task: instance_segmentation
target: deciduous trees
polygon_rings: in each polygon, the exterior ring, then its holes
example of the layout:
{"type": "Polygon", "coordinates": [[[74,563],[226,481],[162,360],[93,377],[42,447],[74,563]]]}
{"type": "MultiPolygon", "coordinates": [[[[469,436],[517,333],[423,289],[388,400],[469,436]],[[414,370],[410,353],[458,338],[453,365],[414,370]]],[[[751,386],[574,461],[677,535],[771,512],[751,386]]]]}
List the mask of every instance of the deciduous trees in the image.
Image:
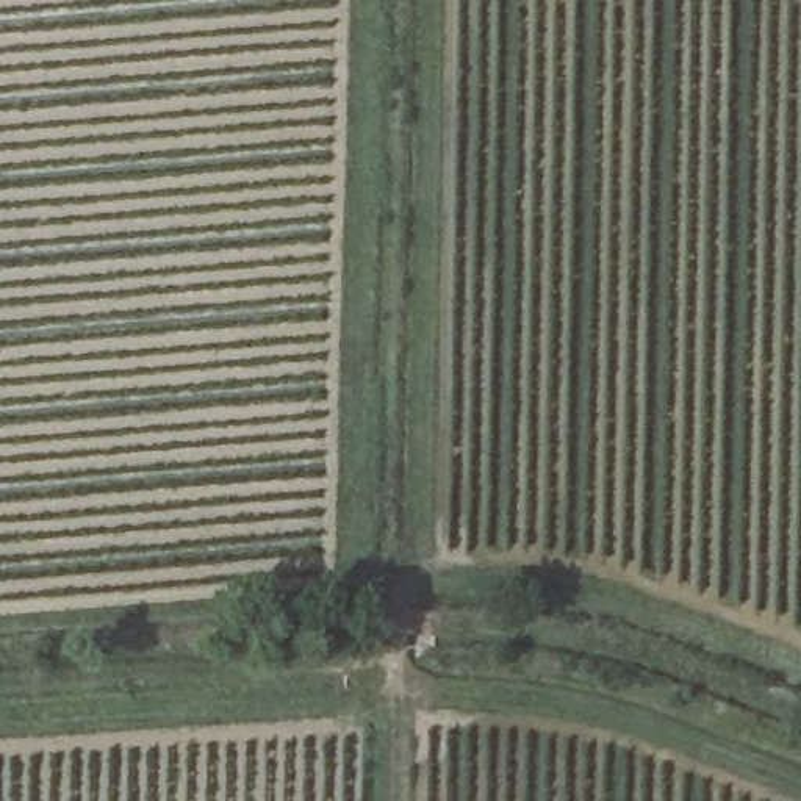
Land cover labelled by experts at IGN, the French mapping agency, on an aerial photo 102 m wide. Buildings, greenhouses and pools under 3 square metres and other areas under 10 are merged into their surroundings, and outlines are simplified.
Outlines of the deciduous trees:
{"type": "Polygon", "coordinates": [[[38,673],[41,663],[34,654],[47,632],[69,635],[72,626],[84,626],[94,635],[100,626],[113,626],[125,607],[0,616],[0,673],[38,673]]]}
{"type": "Polygon", "coordinates": [[[282,663],[282,651],[275,645],[260,635],[250,635],[250,641],[244,645],[235,641],[228,632],[219,632],[207,601],[144,604],[147,616],[156,623],[160,651],[194,651],[210,666],[216,663],[232,673],[250,673],[253,682],[269,685],[288,673],[282,663]]]}
{"type": "Polygon", "coordinates": [[[485,616],[491,623],[488,638],[510,641],[516,638],[526,620],[541,620],[544,601],[538,582],[523,576],[513,594],[501,588],[485,591],[485,607],[485,616]]]}
{"type": "Polygon", "coordinates": [[[341,685],[347,685],[347,673],[385,666],[385,654],[335,660],[329,654],[329,638],[322,632],[300,632],[294,641],[297,660],[332,663],[332,673],[341,685]]]}
{"type": "Polygon", "coordinates": [[[579,660],[585,660],[591,666],[588,673],[601,676],[607,691],[613,695],[632,685],[691,688],[695,682],[691,676],[679,676],[660,666],[591,654],[569,645],[535,641],[532,654],[551,654],[573,670],[579,670],[579,660]]]}

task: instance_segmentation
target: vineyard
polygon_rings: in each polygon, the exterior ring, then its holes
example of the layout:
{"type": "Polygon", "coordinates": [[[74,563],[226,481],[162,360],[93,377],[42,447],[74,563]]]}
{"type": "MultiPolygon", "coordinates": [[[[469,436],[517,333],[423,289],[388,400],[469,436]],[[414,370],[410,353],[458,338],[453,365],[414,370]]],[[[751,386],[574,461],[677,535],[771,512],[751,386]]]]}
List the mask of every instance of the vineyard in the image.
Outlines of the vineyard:
{"type": "Polygon", "coordinates": [[[357,723],[350,713],[338,713],[325,720],[285,723],[0,738],[0,801],[801,801],[801,798],[616,729],[538,713],[504,717],[494,710],[432,710],[432,679],[422,679],[407,663],[404,695],[385,695],[388,732],[379,732],[375,726],[363,729],[363,723],[357,723]]]}
{"type": "Polygon", "coordinates": [[[485,607],[485,591],[501,588],[513,594],[523,576],[523,566],[463,566],[463,585],[454,594],[435,594],[432,610],[485,607]]]}
{"type": "Polygon", "coordinates": [[[385,654],[391,626],[382,610],[379,588],[366,582],[357,594],[344,594],[338,582],[344,569],[335,566],[350,0],[0,0],[0,616],[125,607],[144,604],[207,601],[219,632],[228,632],[235,641],[244,645],[250,641],[250,635],[260,635],[275,645],[285,635],[285,616],[272,598],[272,569],[278,566],[275,557],[282,548],[322,544],[325,569],[313,576],[294,598],[300,632],[322,632],[329,638],[329,654],[335,660],[385,654]]]}
{"type": "Polygon", "coordinates": [[[776,666],[788,679],[801,682],[801,648],[645,591],[638,598],[638,613],[632,616],[635,623],[676,632],[682,638],[701,641],[710,651],[738,654],[763,666],[776,666]]]}
{"type": "Polygon", "coordinates": [[[541,548],[541,563],[576,566],[582,554],[613,554],[623,563],[638,563],[648,576],[670,573],[679,582],[688,582],[701,591],[717,588],[726,604],[738,607],[748,601],[757,610],[785,613],[801,629],[801,0],[460,0],[451,422],[447,519],[451,548],[501,551],[513,544],[535,544],[541,548]]]}

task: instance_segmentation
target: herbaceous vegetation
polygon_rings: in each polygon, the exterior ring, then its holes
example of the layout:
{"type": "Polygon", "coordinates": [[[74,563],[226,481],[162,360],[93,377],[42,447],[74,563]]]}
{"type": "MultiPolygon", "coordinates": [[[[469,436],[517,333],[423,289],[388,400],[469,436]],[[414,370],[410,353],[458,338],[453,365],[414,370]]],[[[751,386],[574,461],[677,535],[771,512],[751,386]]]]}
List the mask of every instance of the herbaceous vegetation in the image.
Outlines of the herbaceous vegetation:
{"type": "Polygon", "coordinates": [[[491,623],[485,616],[485,607],[432,610],[435,594],[454,594],[463,585],[463,566],[441,566],[435,557],[435,516],[447,519],[451,422],[438,426],[444,153],[438,153],[438,131],[444,128],[444,0],[350,0],[335,566],[344,569],[338,582],[344,594],[357,594],[366,582],[379,588],[382,610],[391,626],[385,654],[385,666],[347,673],[347,685],[341,685],[332,673],[332,663],[297,660],[294,641],[300,632],[294,598],[313,576],[325,569],[322,544],[282,548],[275,557],[278,566],[272,569],[272,598],[285,616],[285,635],[275,645],[282,651],[282,663],[288,673],[269,685],[253,682],[250,673],[232,673],[216,663],[210,666],[194,651],[160,651],[156,623],[147,616],[144,604],[125,607],[113,626],[100,626],[94,635],[84,626],[72,626],[69,635],[47,632],[34,654],[41,663],[38,673],[0,673],[0,738],[285,723],[325,720],[338,713],[350,713],[357,723],[363,723],[363,729],[375,726],[379,732],[388,732],[385,695],[404,695],[407,663],[422,679],[432,679],[432,710],[494,710],[504,717],[538,713],[616,729],[801,798],[801,682],[788,679],[776,666],[763,666],[738,654],[710,651],[701,641],[682,638],[676,632],[635,623],[632,616],[638,613],[638,598],[645,591],[629,582],[579,573],[576,566],[541,563],[523,566],[523,576],[538,582],[544,601],[541,620],[526,620],[516,638],[510,641],[488,638],[491,623]],[[551,654],[532,654],[535,641],[569,645],[591,654],[660,666],[679,676],[691,676],[695,682],[691,688],[632,685],[613,695],[607,691],[601,676],[588,673],[591,666],[585,660],[579,660],[579,670],[573,670],[551,654]]]}

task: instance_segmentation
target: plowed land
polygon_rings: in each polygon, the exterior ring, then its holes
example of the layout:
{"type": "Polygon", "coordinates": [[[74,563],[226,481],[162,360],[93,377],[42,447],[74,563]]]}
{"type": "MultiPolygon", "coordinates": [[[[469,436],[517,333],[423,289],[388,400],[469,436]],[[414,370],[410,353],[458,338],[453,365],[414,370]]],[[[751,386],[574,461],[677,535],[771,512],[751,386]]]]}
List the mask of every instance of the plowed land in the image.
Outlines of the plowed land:
{"type": "Polygon", "coordinates": [[[451,548],[447,519],[435,516],[435,557],[441,566],[463,566],[523,566],[541,563],[541,548],[535,544],[513,544],[501,551],[451,548]]]}
{"type": "Polygon", "coordinates": [[[444,153],[438,426],[451,422],[460,0],[444,0],[444,128],[438,131],[438,153],[444,153]]]}
{"type": "Polygon", "coordinates": [[[726,604],[717,588],[701,591],[688,582],[679,582],[670,573],[648,576],[638,563],[623,563],[613,554],[582,554],[576,566],[579,573],[629,582],[645,591],[801,648],[801,629],[785,613],[757,610],[748,601],[738,607],[726,604]]]}

